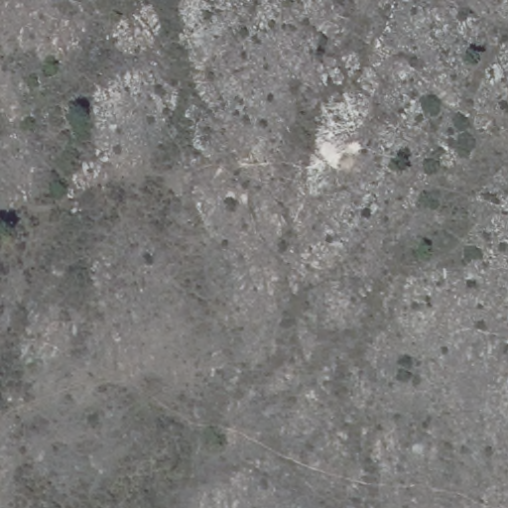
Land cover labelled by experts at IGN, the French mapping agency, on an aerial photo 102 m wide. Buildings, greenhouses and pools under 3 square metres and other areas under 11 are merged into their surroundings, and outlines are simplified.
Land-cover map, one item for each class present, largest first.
<instances>
[{"label":"bare soil","instance_id":"1","mask_svg":"<svg viewBox=\"0 0 508 508\"><path fill-rule=\"evenodd\" d=\"M87 30L85 22L79 20L77 26L71 28L69 20L58 8L52 6V0H0V56H8L20 48L36 50L38 60H46L58 58L63 54L62 46H67V50L71 52L79 46V40ZM179 10L185 26L179 34V42L189 48V62L194 67L192 81L196 85V91L202 97V101L212 109V115L202 117L198 121H194L192 117L196 105H189L185 111V117L190 119L192 145L200 151L198 157H189L181 153L177 159V167L173 171H155L151 167L153 151L157 149V145L169 143L173 141V137H177V129L167 123L163 109L177 107L179 91L175 89V85L167 81L169 63L165 60V54L153 44L161 32V22L153 6H143L137 14L119 20L111 34H105V40H117V48L125 56L123 67L117 69V75L113 81H109V87H97L91 99V113L95 121L91 135L97 159L93 163H83L81 169L71 175V183L63 181L56 169L50 171V181L54 183L50 185V192L56 198H62L63 194H67V198L81 196L83 190L95 183L111 181L143 185L145 177H163L165 187L175 190V194L181 198L179 218L173 220L171 226L163 232L153 228L151 224L137 226L135 218L125 216H121L113 224V228L95 226V234H101L103 242H97L93 248L95 262L91 266V282L95 286V292L89 294V306L99 308L105 319L93 321L91 335L85 341V355L73 357L69 351L71 339L75 337L77 325L83 321V316L77 312L71 316V321H60L58 306H48L46 314H38V304L30 300L26 306L28 327L20 335V359L24 363L38 365L34 375L24 377V381L32 385L34 399L24 401V397H20L14 391L4 393L8 409L0 411V508H508V0H183ZM30 87L18 73H6L0 65V115H6L8 121H24L26 117H34L36 105H20L18 99L22 97V93H28ZM30 155L28 133H10L0 139V210H16L18 206H26L30 212L38 214L50 212L52 208L50 204H38L34 200V196L40 192L34 185L36 167L24 163V157ZM26 280L20 268H16L8 272V282H0V331H6V327L12 321V314L22 302Z\"/></svg>","mask_w":508,"mask_h":508},{"label":"herbaceous vegetation","instance_id":"2","mask_svg":"<svg viewBox=\"0 0 508 508\"><path fill-rule=\"evenodd\" d=\"M183 0H52V6L58 8L69 20L71 28L77 26L79 20L85 22L87 30L79 40V46L71 52L67 50V46H62L63 54L58 58L46 60H38L36 50L20 48L8 56H0V65L6 73H18L30 87L28 93H22V97L18 99L20 105H36L34 117H26L24 121H8L6 115H0V139L10 133H28L30 155L24 157V163L36 167L34 185L40 192L34 196V200L38 204H50L52 208L50 212L38 214L30 212L26 206H18L16 210H0V282H8V272L16 268H20L26 280L22 302L12 314V321L6 327V331H0V411L8 409L4 393L14 391L20 397H24V401L34 399L32 385L24 381V377L34 375L38 365L24 363L20 359V335L28 327L26 306L30 300L38 304V314H46L48 306H58L60 321H71V316L77 312L83 316V321L77 325L75 337L71 339L69 351L73 357L85 355V341L91 335L93 321L105 319L99 308L89 306V294L95 292V286L91 282V266L95 262L93 248L97 242H103L101 234H95V226L113 228V224L121 216H125L135 218L137 226L151 224L153 228L163 232L171 226L173 220L179 218L181 198L175 194V190L165 187L163 177H145L143 185L111 181L95 183L83 190L81 196L67 198V194H63L62 198H56L50 192V185L54 183L50 181V171L56 169L63 181L71 183V175L81 169L83 163H93L97 159L91 135L95 121L91 113V99L97 87H109V81H113L117 75V69L123 67L125 56L117 48V40H105V34H111L119 20L137 14L143 6H153L161 22V32L153 44L165 54V60L169 63L167 81L175 85V89L179 91L177 107L163 109L167 123L177 129V137H173V141L169 143L157 145V149L153 151L151 167L155 171H173L177 167V159L181 153L189 157H198L200 151L192 145L190 119L185 117V111L189 105H196L192 117L194 121H198L202 117L212 115V109L202 101V97L196 91V85L192 81L194 67L189 62V48L179 42V34L185 26L179 10Z\"/></svg>","mask_w":508,"mask_h":508}]
</instances>
